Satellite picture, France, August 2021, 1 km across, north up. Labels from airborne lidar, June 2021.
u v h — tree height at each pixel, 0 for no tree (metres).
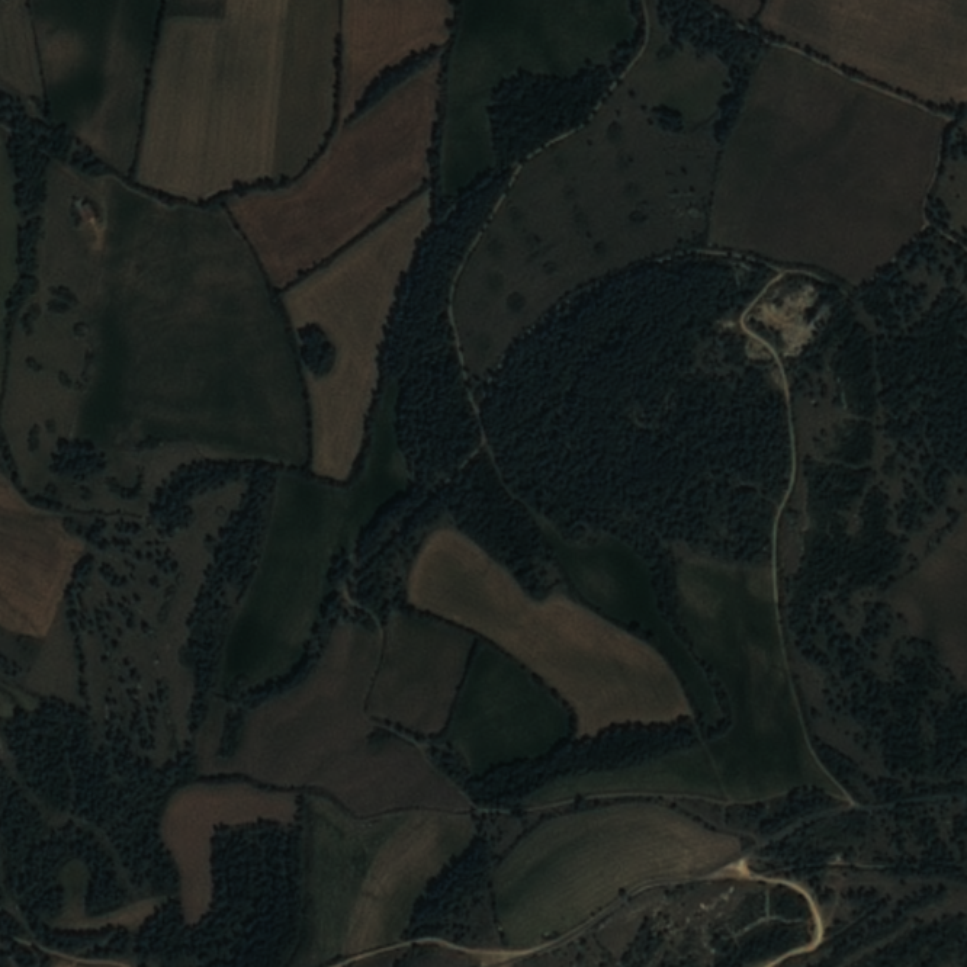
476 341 0
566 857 0
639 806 0
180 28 0
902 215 0
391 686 0
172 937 7
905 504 9
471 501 13
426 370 10
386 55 0
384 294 0
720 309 9
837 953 7
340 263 0
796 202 0
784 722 0
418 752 0
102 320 0
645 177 0
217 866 10
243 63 0
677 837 0
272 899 13
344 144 0
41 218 7
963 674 0
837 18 0
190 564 0
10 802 11
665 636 0
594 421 11
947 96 0
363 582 11
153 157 0
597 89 11
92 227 0
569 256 0
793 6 0
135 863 8
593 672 0
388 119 0
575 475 9
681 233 0
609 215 0
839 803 0
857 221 0
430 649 0
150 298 0
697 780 0
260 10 0
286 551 0
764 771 0
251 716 0
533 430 10
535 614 0
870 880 0
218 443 0
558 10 0
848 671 7
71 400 0
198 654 10
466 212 16
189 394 0
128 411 0
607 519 13
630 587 0
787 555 0
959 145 7
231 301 0
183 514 9
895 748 9
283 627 0
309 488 0
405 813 0
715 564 0
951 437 10
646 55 0
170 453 0
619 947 0
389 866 0
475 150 0
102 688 0
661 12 8
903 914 11
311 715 0
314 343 17
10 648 0
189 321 0
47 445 0
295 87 0
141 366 0
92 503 0
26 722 12
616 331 9
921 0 0
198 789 0
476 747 0
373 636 0
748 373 9
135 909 0
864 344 8
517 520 9
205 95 0
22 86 0
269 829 9
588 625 0
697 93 0
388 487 0
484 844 11
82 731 11
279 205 0
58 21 0
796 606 8
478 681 0
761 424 7
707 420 9
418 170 0
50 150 12
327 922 0
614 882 0
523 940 0
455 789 0
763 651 0
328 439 0
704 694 0
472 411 12
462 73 0
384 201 0
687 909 0
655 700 0
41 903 10
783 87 0
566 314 6
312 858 0
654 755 9
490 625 0
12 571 0
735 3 0
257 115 0
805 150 0
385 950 0
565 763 11
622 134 0
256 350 0
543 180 0
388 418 0
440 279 18
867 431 7
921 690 6
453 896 12
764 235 0
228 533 11
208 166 0
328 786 0
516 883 0
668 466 17
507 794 10
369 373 0
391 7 0
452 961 0
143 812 7
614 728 10
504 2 0
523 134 12
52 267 0
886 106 0
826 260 0
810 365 9
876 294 7
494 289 0
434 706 0
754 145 0
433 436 13
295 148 0
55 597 0
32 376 0
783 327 0
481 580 0
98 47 0
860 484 7
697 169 0
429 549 0
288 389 0
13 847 13
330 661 0
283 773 0
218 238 0
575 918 0
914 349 10
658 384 9
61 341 0
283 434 0
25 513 0
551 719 0
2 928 12
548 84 8
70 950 8
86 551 0
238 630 0
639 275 14
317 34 0
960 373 8
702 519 9
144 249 0
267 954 11
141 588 0
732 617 0
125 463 0
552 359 15
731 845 0
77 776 9
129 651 0
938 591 0
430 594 0
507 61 0
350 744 0
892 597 0
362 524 0
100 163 11
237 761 0
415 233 0
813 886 10
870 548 8
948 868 10
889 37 0
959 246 7
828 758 7
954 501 0
